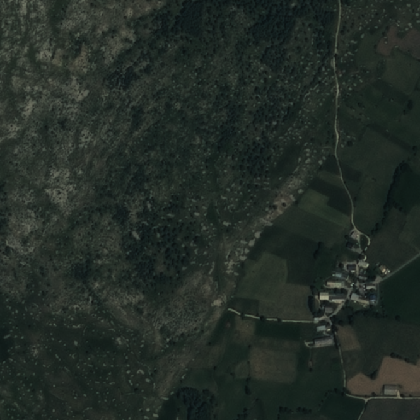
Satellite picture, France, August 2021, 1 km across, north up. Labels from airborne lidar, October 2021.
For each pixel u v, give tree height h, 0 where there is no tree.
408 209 0
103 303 0
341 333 0
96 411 0
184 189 8
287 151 0
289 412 9
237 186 0
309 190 0
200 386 0
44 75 0
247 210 0
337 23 0
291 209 0
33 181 0
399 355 8
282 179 0
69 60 0
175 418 0
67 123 0
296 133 0
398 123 0
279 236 0
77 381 0
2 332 0
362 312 11
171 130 6
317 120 0
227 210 0
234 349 0
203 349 0
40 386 0
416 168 0
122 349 0
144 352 0
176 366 0
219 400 0
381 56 0
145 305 0
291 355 0
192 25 22
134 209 0
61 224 0
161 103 0
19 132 0
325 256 0
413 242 0
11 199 0
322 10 15
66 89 0
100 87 0
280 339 0
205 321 0
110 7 0
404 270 0
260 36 11
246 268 0
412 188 0
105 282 0
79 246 0
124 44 0
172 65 0
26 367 0
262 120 12
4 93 0
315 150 0
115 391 0
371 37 0
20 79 0
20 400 0
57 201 0
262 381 0
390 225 0
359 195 0
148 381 0
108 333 0
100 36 0
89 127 0
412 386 0
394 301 0
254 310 0
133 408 0
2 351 0
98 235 0
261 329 0
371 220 0
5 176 0
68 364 0
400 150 0
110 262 0
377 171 0
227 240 0
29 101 0
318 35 7
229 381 0
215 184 0
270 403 0
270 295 0
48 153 0
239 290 0
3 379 0
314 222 0
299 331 0
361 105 10
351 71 0
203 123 9
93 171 0
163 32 9
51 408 0
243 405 0
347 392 12
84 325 0
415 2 0
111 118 0
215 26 12
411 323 0
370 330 0
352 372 0
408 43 0
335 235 0
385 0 0
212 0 15
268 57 12
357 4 0
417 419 0
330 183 0
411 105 6
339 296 0
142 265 12
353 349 0
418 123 0
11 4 0
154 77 0
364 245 0
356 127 0
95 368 0
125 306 0
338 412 0
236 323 0
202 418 20
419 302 0
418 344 0
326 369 0
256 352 0
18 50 0
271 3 21
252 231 0
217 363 0
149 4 0
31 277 0
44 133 0
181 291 0
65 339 0
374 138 0
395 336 0
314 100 0
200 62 0
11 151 0
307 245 0
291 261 0
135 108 7
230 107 6
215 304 0
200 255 0
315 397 0
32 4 0
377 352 0
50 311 0
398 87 0
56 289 0
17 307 0
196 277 0
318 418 0
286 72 6
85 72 0
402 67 0
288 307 0
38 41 0
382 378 0
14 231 0
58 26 0
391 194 15
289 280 0
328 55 7
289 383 0
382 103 0
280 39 17
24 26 0
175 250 12
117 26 0
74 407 0
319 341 0
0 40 0
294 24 22
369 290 7
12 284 0
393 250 0
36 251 0
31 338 0
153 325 0
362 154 0
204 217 0
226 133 8
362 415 0
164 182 0
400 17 0
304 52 0
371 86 0
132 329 0
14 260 0
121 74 6
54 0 0
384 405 0
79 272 7
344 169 0
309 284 0
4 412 0
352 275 6
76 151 0
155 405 0
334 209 0
